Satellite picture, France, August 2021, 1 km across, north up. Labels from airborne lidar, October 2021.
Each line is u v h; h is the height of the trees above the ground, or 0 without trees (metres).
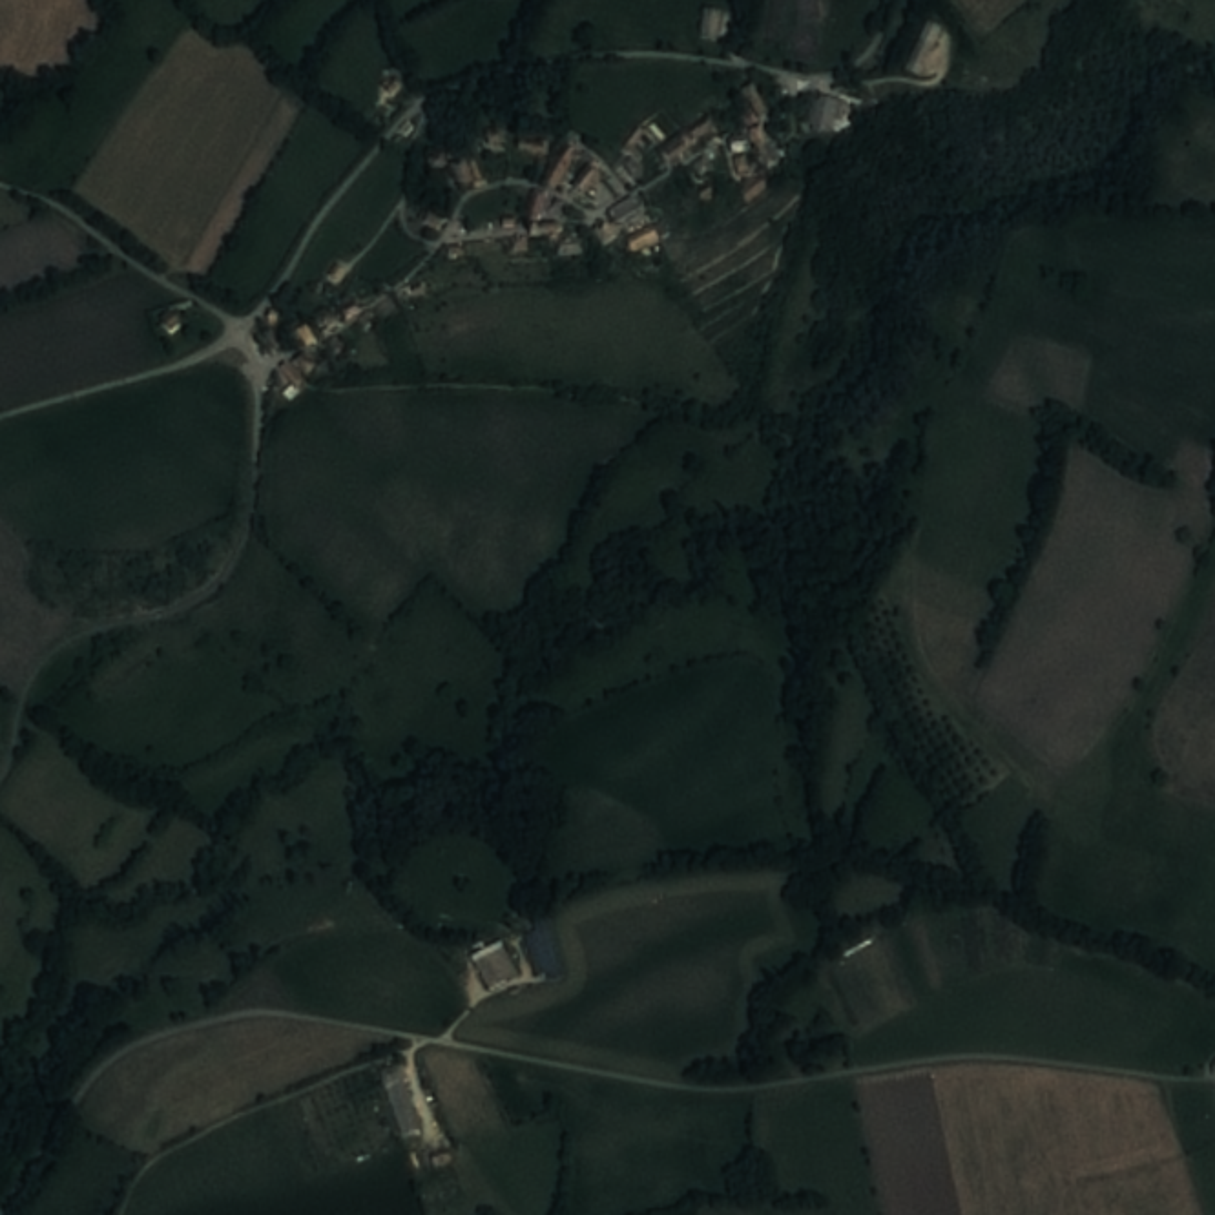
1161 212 14
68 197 14
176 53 0
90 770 11
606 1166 0
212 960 0
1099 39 12
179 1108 0
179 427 0
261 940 0
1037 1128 0
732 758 0
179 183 0
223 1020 0
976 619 0
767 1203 16
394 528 0
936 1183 0
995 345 0
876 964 0
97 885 7
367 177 0
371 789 22
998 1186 0
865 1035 0
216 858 16
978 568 0
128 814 0
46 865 11
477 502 0
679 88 0
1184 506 0
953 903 14
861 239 17
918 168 20
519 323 0
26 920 6
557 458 0
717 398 0
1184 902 0
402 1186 0
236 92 0
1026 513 0
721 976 0
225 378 0
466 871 0
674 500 21
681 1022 0
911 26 11
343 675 0
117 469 0
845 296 11
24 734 8
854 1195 0
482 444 0
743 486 0
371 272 0
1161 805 0
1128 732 0
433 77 0
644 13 0
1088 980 0
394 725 0
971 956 0
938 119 16
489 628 13
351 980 0
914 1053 0
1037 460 0
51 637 0
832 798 0
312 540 0
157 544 0
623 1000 0
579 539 19
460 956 0
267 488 9
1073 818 0
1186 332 0
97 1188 0
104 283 0
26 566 0
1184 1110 0
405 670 0
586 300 0
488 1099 0
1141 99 27
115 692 0
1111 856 0
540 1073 0
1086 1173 0
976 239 14
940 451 0
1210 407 0
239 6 0
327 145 0
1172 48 18
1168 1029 0
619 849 0
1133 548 0
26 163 0
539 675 19
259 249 0
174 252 0
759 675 0
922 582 0
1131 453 9
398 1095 0
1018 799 0
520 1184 0
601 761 0
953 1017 0
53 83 21
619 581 22
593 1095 0
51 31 0
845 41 0
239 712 0
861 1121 0
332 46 15
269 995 0
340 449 0
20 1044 16
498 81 19
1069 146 25
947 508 0
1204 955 0
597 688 0
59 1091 17
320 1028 0
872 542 9
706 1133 0
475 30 0
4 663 0
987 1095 0
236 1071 0
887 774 10
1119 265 0
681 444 0
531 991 0
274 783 6
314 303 0
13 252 0
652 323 0
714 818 0
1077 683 0
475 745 0
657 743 0
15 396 0
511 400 0
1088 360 0
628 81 0
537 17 19
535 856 30
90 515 0
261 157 0
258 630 0
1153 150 17
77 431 0
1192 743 0
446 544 0
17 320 0
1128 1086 0
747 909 0
